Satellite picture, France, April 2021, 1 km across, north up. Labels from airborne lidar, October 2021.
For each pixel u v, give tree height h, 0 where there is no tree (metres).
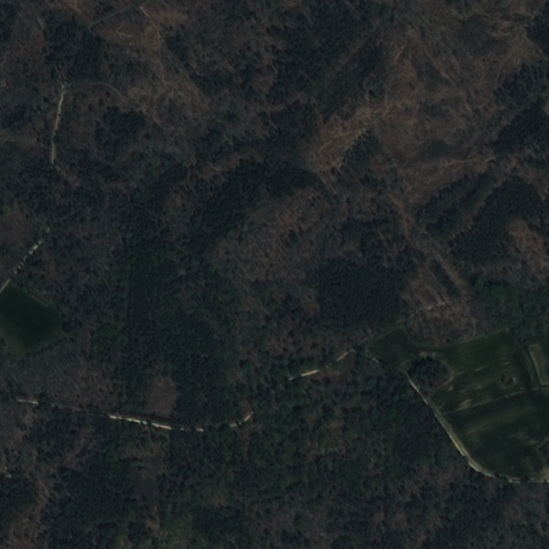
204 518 22
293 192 18
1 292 0
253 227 15
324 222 18
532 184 0
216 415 23
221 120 8
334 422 24
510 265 12
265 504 10
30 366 12
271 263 23
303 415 24
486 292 27
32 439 14
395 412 17
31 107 8
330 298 26
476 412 0
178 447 16
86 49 18
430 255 12
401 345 0
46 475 8
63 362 15
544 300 16
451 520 19
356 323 25
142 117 13
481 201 22
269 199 7
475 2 16
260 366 9
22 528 7
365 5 17
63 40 18
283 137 21
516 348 0
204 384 18
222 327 17
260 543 13
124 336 12
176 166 7
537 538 15
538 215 21
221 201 13
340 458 17
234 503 13
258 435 12
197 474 19
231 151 16
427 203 0
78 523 27
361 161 28
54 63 20
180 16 0
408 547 23
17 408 10
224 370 16
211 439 11
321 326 24
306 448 11
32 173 7
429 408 17
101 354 12
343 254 10
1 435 15
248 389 17
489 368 0
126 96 21
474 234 16
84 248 8
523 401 0
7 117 7
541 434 0
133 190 9
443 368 15
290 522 13
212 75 12
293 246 22
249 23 21
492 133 16
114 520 26
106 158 25
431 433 15
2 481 9
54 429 13
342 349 17
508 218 23
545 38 13
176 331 17
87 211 15
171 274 14
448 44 21
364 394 6
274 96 14
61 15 14
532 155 11
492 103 10
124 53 12
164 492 17
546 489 11
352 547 23
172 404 0
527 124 15
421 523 20
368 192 12
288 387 23
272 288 15
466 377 0
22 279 9
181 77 17
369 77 9
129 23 15
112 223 10
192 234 21
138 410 14
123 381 12
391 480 23
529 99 23
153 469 0
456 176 0
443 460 19
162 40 7
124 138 25
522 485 15
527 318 19
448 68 17
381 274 25
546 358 0
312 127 25
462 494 19
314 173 15
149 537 22
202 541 18
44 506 18
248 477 20
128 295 23
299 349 12
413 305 16
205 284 8
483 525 19
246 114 15
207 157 10
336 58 27
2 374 23
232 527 19
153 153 17
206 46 11
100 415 14
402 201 17
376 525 11
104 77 7
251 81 17
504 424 0
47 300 9
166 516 16
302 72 21
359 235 22
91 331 10
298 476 20
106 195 10
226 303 14
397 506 25
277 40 28
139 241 14
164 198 12
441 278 24
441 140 0
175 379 18
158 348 15
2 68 9
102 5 9
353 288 28
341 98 7
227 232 13
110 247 10
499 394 0
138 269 14
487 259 22
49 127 12
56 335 0
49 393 12
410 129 0
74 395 8
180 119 5
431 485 19
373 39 10
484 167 6
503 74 0
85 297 10
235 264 10
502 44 6
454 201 25
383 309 26
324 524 15
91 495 27
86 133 8
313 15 15
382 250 17
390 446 18
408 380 15
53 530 25
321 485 23
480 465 0
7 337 0
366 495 5
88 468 11
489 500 16
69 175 11
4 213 16
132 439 13
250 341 13
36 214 14
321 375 14
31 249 8
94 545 11
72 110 6
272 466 19
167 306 13
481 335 11
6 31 20
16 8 11
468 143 13
